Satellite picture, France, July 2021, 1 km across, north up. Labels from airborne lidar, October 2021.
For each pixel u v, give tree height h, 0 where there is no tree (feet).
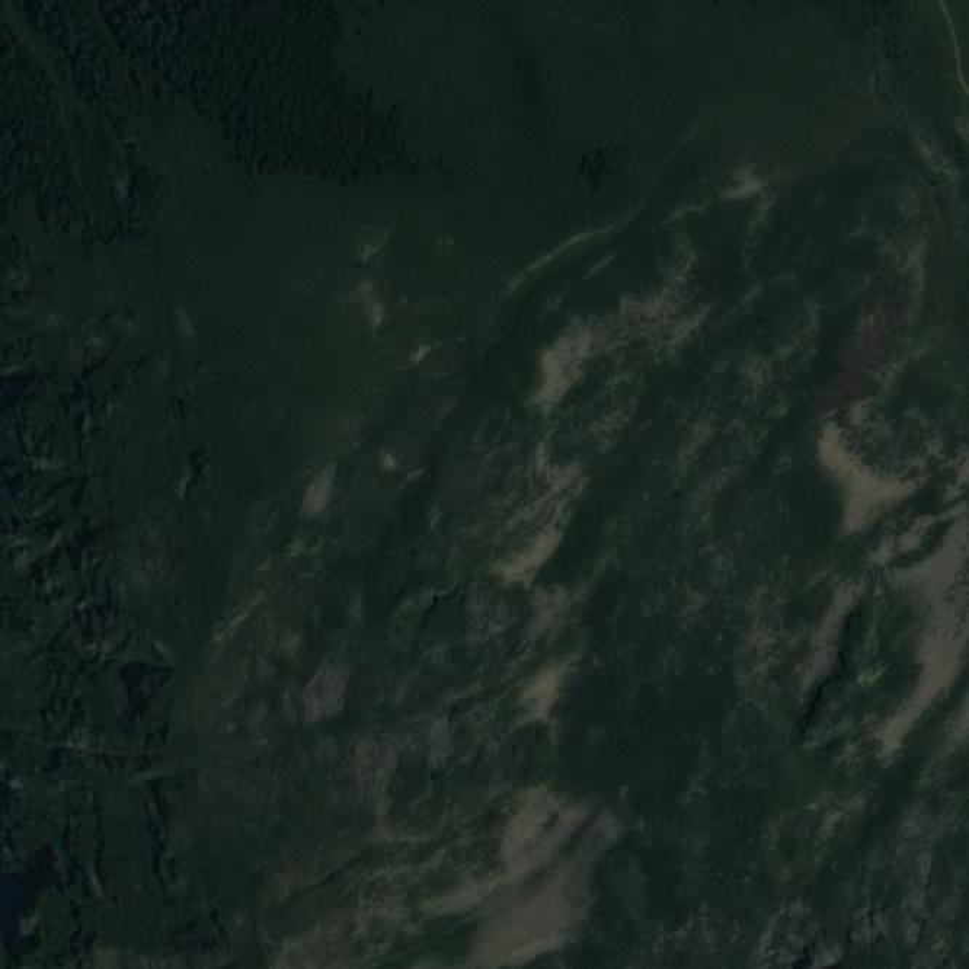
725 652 0
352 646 0
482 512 0
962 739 0
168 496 0
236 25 78
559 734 0
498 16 0
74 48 78
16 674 0
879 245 0
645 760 0
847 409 0
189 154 0
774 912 0
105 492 0
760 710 0
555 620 0
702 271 0
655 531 0
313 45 31
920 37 0
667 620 0
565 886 0
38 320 0
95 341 0
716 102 0
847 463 0
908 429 0
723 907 0
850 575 0
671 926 0
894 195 0
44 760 0
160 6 51
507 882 0
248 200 0
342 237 0
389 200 0
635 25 0
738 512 0
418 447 0
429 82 0
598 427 0
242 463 0
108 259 0
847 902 0
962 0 0
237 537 0
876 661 36
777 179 0
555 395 0
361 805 0
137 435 0
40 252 0
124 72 45
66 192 38
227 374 0
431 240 0
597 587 0
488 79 0
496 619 0
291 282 0
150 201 23
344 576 0
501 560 0
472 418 0
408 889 0
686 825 0
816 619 0
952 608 0
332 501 0
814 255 0
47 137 57
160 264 0
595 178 38
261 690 0
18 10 21
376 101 41
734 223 0
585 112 0
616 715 0
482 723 0
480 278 0
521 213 0
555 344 0
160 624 0
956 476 0
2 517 28
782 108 0
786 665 0
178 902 0
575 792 0
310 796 0
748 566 0
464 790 0
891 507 0
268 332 0
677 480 0
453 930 0
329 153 57
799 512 0
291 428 0
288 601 0
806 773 0
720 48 0
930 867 0
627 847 0
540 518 0
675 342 0
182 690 0
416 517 0
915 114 0
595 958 0
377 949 0
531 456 0
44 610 0
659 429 0
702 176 0
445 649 0
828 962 0
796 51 0
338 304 0
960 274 0
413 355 0
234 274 0
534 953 0
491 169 0
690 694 0
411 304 0
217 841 0
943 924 0
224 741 0
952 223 0
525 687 0
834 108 0
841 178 0
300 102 37
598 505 0
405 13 0
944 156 0
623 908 0
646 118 0
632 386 0
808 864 0
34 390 28
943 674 0
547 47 0
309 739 0
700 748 0
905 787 0
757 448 0
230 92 43
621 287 0
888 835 0
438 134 0
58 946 0
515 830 0
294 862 0
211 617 0
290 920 0
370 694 0
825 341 0
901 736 0
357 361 0
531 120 0
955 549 0
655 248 0
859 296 0
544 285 0
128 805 0
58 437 24
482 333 0
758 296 0
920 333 0
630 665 0
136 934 0
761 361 0
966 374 0
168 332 0
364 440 0
